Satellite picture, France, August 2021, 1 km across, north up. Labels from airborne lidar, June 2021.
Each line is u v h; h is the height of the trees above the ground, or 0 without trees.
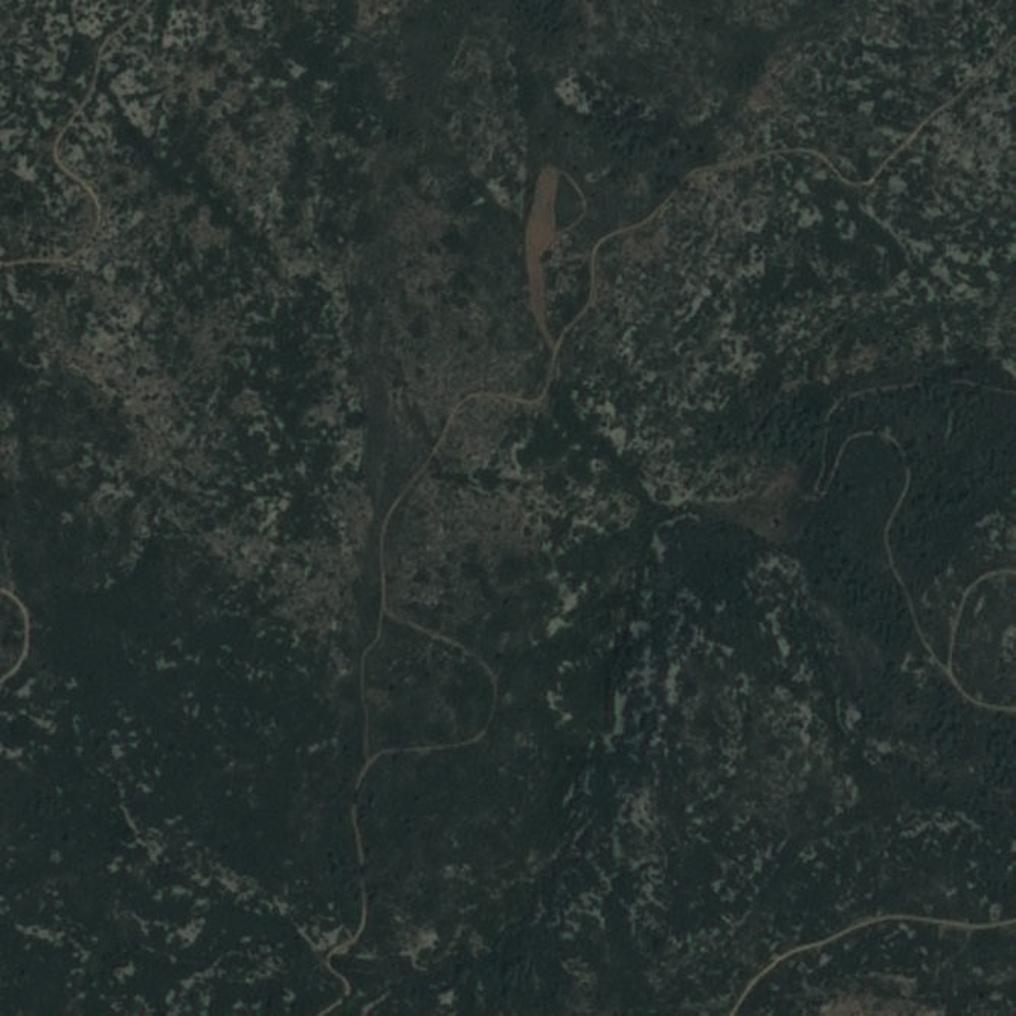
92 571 0
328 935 0
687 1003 0
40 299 0
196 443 0
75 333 0
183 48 0
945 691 8
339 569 0
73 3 0
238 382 0
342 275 0
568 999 0
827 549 9
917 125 0
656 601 7
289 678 0
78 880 0
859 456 0
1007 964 0
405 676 0
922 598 0
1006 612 0
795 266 0
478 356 0
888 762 11
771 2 0
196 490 0
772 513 0
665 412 0
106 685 0
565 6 10
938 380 7
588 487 0
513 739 0
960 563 0
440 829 0
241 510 0
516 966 12
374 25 0
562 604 0
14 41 0
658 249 0
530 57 0
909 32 0
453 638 0
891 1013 0
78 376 0
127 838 7
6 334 0
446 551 0
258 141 0
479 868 0
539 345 0
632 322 0
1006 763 11
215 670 0
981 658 0
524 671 0
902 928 0
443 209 0
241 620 0
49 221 0
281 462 0
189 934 0
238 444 0
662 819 0
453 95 0
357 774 0
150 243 0
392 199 0
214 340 0
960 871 0
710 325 0
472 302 0
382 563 0
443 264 0
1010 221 0
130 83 0
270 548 0
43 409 0
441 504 0
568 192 0
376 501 0
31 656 0
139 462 0
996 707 0
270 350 0
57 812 8
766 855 0
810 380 7
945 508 11
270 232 0
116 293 0
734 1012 0
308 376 0
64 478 0
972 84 0
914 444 10
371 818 7
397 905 0
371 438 0
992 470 8
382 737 0
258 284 0
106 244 0
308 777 0
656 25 0
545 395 0
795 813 0
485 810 0
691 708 0
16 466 0
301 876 0
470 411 0
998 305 0
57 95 0
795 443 11
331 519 0
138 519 0
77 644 0
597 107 10
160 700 0
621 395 0
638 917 0
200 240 0
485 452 0
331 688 0
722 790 0
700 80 0
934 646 0
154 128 0
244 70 0
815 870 0
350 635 0
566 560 0
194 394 0
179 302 0
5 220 0
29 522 0
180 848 0
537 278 0
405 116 0
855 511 0
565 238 0
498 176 0
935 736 10
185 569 0
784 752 0
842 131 0
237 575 0
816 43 0
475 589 0
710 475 0
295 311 0
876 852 0
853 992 0
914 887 0
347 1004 10
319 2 0
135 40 0
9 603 0
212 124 0
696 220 0
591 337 0
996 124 0
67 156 0
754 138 0
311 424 0
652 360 0
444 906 0
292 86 0
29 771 0
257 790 0
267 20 0
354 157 0
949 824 0
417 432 0
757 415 7
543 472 0
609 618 7
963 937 0
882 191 0
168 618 7
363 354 0
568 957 0
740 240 0
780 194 0
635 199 0
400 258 0
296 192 0
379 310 0
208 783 0
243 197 0
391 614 0
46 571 0
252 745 0
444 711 0
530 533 8
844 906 0
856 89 0
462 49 0
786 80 0
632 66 0
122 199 0
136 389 0
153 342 0
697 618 6
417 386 0
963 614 0
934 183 0
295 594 0
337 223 0
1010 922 0
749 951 0
